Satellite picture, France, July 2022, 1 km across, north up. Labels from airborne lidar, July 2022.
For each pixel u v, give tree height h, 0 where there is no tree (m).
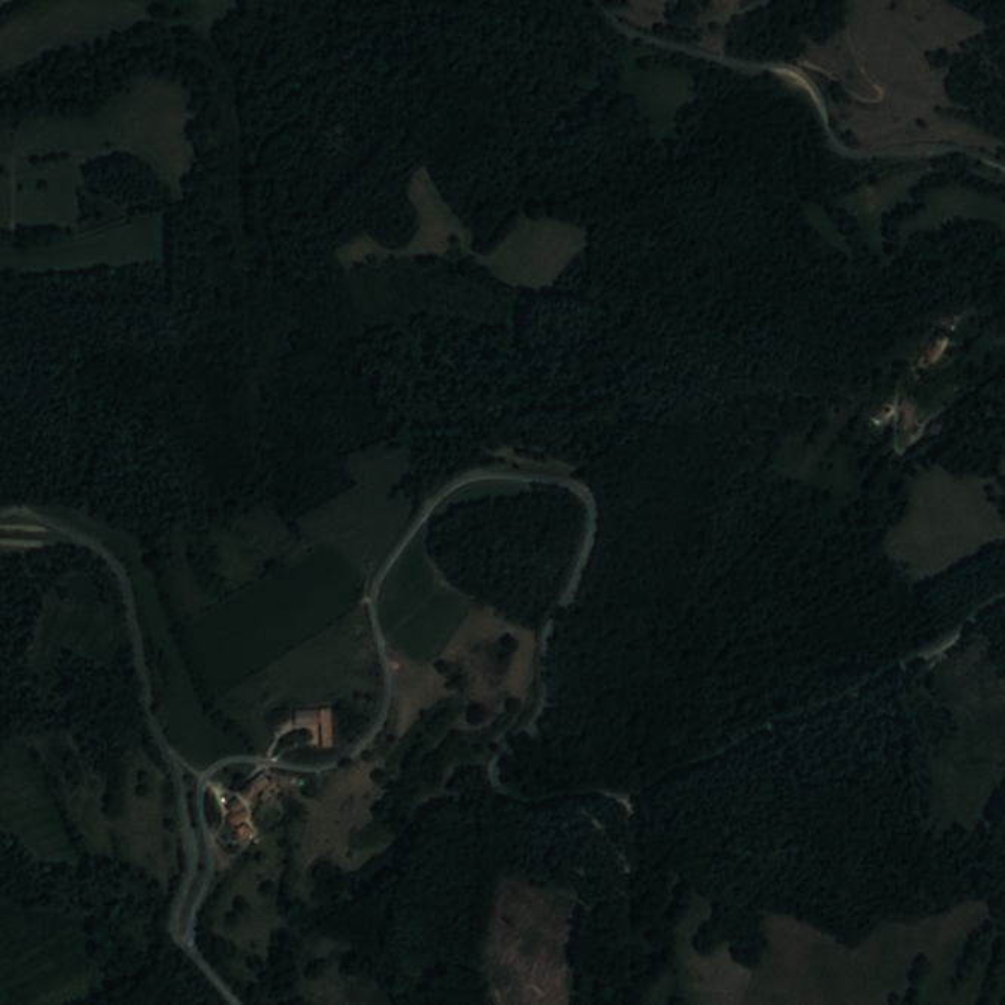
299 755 0
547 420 25
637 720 29
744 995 0
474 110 22
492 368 18
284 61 17
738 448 9
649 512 21
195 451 8
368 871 7
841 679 30
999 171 13
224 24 17
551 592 13
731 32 11
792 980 0
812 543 14
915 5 0
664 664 27
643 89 0
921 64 0
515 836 26
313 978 11
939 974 0
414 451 7
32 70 7
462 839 21
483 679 0
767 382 17
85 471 7
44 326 24
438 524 16
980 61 8
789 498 12
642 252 12
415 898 21
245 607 0
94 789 0
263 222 20
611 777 21
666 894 18
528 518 16
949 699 0
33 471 11
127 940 10
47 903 24
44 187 8
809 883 14
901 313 16
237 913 9
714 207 19
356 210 17
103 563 22
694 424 19
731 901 14
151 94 0
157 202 22
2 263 0
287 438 7
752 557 16
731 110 13
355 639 0
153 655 9
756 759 22
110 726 21
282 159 13
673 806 25
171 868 0
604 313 23
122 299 8
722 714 22
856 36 0
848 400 15
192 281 19
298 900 8
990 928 17
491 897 21
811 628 14
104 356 11
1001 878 31
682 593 24
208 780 0
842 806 18
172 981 20
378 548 0
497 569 6
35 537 0
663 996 0
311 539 0
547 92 23
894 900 11
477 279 20
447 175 22
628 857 22
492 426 23
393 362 15
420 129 13
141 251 0
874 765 30
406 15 19
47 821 0
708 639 21
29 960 0
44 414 20
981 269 12
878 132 0
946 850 10
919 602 19
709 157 22
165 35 20
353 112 13
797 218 21
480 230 9
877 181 18
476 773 15
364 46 16
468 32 17
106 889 6
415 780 17
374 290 0
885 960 0
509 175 16
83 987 0
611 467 20
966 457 16
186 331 23
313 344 6
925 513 0
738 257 19
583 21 24
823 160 14
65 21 0
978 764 5
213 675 0
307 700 0
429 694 0
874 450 11
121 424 8
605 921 12
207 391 6
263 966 17
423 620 0
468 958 24
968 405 10
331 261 15
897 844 11
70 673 13
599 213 16
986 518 0
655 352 15
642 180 18
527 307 33
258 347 6
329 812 0
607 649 26
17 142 0
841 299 11
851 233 21
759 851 16
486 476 0
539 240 0
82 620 0
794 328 16
